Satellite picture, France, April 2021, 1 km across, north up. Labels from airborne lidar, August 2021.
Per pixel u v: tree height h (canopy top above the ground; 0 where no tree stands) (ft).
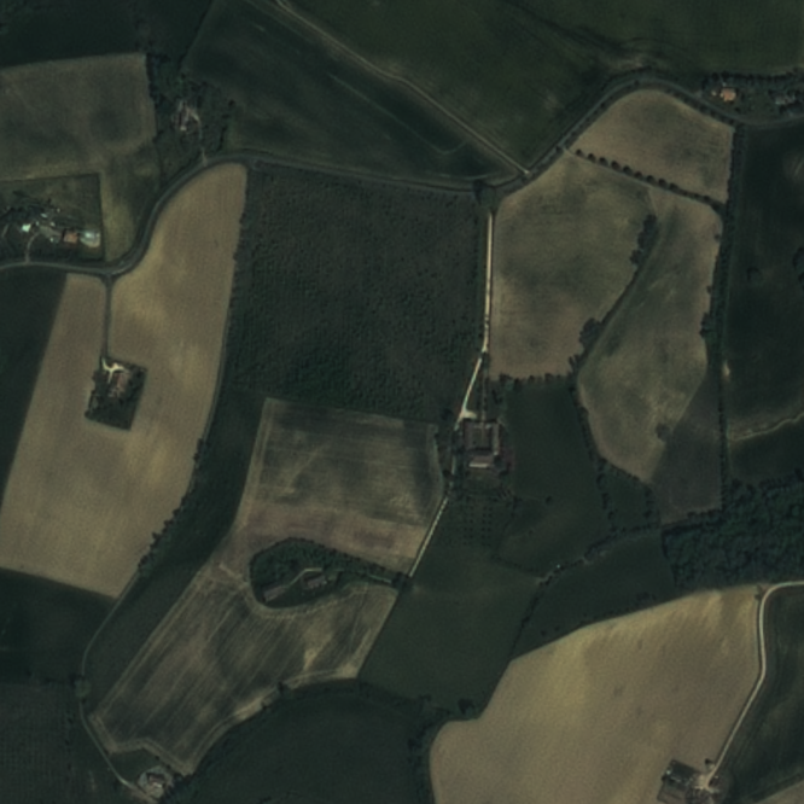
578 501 0
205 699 0
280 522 0
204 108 51
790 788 0
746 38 0
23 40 0
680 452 0
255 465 0
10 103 0
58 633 0
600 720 0
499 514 0
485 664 0
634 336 0
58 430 0
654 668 0
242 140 0
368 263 20
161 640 0
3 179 0
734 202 29
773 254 0
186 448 0
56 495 0
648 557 0
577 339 0
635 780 0
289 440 0
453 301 0
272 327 18
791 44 0
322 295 21
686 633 0
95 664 22
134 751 0
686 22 0
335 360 30
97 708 0
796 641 0
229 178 0
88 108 0
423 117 0
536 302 0
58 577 0
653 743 0
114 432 0
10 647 0
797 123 0
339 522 0
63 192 0
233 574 0
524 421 0
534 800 0
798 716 0
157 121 0
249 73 0
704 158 0
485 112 0
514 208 0
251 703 0
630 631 0
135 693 0
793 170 0
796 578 58
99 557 0
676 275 0
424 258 0
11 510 0
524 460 0
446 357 21
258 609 0
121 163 0
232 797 0
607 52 0
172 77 67
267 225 21
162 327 0
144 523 0
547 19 0
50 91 0
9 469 0
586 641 0
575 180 0
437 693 0
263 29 0
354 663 0
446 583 0
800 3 0
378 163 0
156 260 0
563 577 42
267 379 25
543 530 0
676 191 37
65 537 0
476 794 0
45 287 0
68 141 0
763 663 0
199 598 0
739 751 0
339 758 0
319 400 37
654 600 36
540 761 0
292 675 0
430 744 58
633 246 0
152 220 0
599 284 0
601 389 0
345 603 0
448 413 22
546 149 0
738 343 0
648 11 0
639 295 0
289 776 0
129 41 0
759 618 0
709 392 0
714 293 42
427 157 0
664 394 0
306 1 0
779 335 0
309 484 0
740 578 50
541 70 0
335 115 0
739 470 0
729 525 75
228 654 0
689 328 0
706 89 38
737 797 0
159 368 0
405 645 0
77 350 0
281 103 0
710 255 0
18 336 0
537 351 0
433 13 0
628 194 0
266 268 21
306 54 0
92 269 0
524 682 0
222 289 0
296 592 0
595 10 0
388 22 0
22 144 0
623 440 0
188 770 0
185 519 36
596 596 0
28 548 0
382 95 0
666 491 0
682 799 0
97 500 0
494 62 0
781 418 0
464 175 0
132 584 0
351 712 0
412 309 19
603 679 0
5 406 0
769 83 28
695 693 0
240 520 0
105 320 0
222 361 0
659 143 0
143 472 0
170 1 0
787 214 0
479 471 0
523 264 0
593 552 35
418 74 0
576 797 0
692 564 41
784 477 0
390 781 0
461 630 0
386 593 0
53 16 0
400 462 0
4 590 0
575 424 0
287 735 0
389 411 20
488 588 0
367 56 0
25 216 24
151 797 0
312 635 0
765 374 0
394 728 0
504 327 0
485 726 0
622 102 0
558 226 0
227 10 0
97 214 0
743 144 31
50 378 0
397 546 0
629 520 0
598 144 0
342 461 0
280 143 0
